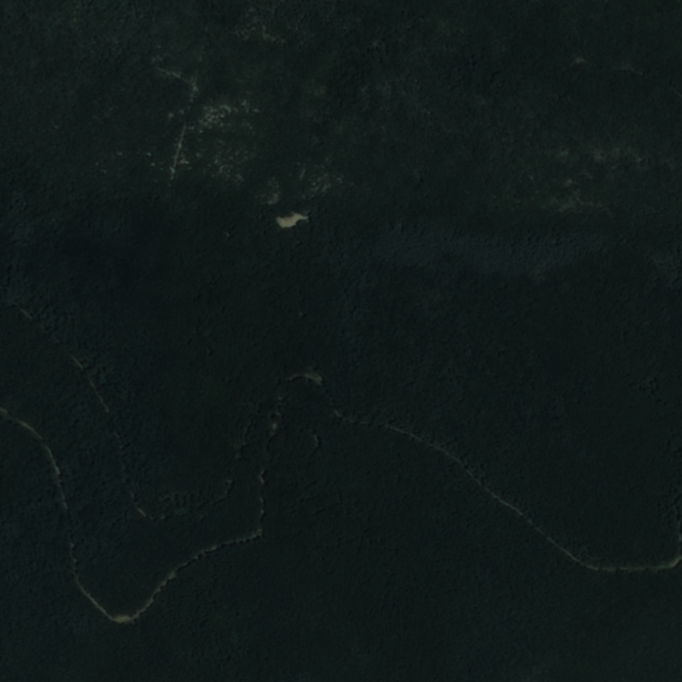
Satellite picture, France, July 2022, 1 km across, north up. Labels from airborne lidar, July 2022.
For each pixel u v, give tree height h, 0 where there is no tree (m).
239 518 22
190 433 22
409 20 13
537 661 7
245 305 23
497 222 16
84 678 10
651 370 23
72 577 11
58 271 21
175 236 21
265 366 26
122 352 14
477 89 10
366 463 25
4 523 17
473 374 13
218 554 25
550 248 20
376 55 18
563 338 21
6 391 21
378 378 18
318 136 13
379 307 15
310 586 14
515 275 21
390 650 20
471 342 15
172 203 13
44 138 7
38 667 11
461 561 19
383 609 17
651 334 23
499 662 9
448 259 18
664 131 6
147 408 14
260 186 7
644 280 23
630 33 10
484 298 14
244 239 30
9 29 6
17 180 26
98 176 7
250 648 13
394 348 19
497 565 18
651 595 16
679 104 8
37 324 18
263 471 26
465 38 9
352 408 20
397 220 18
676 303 23
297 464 27
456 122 6
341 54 10
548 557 12
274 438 20
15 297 22
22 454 20
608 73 7
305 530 24
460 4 7
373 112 8
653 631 10
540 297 20
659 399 20
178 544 22
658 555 15
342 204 16
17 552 16
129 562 12
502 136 9
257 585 19
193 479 19
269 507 22
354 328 10
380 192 9
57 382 16
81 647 11
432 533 15
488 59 7
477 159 11
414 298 11
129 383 12
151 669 11
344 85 13
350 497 22
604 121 6
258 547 22
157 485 14
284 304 25
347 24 14
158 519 14
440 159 9
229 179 6
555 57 11
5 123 7
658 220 12
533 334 16
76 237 20
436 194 6
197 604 20
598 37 8
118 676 16
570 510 18
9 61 7
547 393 17
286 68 7
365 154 6
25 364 24
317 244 14
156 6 11
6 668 10
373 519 23
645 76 9
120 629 11
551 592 9
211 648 20
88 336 15
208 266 25
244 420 27
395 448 19
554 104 7
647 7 7
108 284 18
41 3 7
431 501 23
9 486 27
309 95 6
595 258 21
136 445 13
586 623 12
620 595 15
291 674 12
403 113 7
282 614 11
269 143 9
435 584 19
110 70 8
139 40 7
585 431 21
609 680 9
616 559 15
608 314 27
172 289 22
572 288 19
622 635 11
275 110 8
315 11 9
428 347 15
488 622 7
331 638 13
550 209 5
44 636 11
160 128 5
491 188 8
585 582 12
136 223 15
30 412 19
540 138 8
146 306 18
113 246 18
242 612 23
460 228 14
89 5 8
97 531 13
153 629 17
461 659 12
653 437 24
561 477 18
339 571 20
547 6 12
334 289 17
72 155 7
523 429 12
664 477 24
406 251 20
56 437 16
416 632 16
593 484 23
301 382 26
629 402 22
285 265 20
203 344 33
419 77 9
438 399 14
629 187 7
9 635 12
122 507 10
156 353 16
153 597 14
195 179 7
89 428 14
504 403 14
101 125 8
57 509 18
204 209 19
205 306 31
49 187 14
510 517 15
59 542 12
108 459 12
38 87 6
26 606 11
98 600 12
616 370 22
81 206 18
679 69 12
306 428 16
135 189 12
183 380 24
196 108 6
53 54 8
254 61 6
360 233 14
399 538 20
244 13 12
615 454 23
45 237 20
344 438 21
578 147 8
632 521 20
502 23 10
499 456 13
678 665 8
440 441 15
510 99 6
